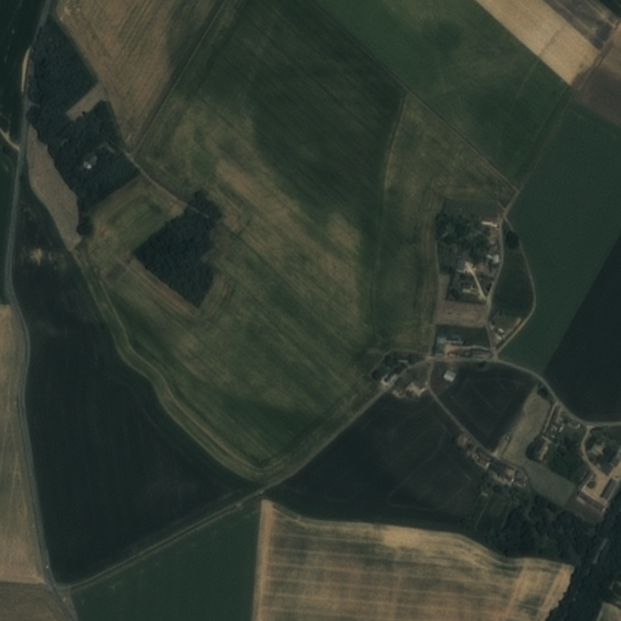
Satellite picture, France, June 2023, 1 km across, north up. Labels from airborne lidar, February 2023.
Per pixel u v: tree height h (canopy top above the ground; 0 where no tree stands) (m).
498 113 0
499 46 0
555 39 0
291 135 0
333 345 0
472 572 0
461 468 0
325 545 0
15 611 0
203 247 16
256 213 0
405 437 0
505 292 0
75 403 0
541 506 18
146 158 0
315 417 0
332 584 0
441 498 0
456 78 0
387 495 0
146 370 0
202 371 0
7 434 0
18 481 0
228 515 0
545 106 0
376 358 0
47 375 0
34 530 0
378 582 0
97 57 0
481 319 0
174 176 0
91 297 0
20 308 0
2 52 0
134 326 0
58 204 0
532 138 0
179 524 0
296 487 0
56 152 14
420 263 0
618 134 0
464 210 0
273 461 0
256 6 0
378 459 0
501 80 0
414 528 0
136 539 0
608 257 0
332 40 0
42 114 16
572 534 21
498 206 0
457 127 0
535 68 0
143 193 0
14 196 0
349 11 0
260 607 0
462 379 0
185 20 0
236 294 0
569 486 0
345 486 0
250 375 0
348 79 0
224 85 0
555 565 0
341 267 0
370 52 0
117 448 0
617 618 0
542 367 0
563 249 0
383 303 0
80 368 0
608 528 19
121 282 0
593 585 23
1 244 0
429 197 0
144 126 0
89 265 0
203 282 12
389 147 0
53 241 0
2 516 0
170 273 15
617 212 0
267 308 0
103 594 0
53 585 0
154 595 0
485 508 0
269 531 0
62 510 0
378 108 0
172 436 0
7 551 0
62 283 0
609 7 0
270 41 0
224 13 0
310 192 0
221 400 0
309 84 0
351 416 0
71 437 0
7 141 0
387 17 0
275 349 0
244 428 0
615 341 0
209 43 0
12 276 0
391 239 0
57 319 0
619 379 0
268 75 0
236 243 0
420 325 0
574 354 0
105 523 0
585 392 0
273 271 0
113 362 0
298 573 0
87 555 0
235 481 0
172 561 0
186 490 0
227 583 0
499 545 14
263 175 0
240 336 0
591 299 0
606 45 0
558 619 16
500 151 0
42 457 0
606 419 0
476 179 0
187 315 0
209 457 0
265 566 0
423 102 0
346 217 0
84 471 0
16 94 0
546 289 0
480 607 0
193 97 0
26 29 0
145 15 0
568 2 0
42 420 0
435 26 0
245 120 0
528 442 0
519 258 0
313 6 0
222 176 0
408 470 0
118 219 0
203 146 0
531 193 0
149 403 0
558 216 0
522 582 0
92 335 0
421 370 0
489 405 0
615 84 0
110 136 11
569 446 10
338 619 0
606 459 10
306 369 0
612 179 0
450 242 14
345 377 0
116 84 0
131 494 0
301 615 0
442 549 0
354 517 0
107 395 0
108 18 0
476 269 0
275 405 0
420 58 0
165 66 0
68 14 0
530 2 0
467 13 0
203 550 0
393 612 0
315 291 0
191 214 18
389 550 0
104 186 17
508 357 0
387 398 0
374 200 0
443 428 0
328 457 0
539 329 0
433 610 0
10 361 0
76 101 15
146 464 0
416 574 0
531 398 0
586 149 0
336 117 0
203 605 0
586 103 0
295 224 0
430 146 0
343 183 0
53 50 16
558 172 0
